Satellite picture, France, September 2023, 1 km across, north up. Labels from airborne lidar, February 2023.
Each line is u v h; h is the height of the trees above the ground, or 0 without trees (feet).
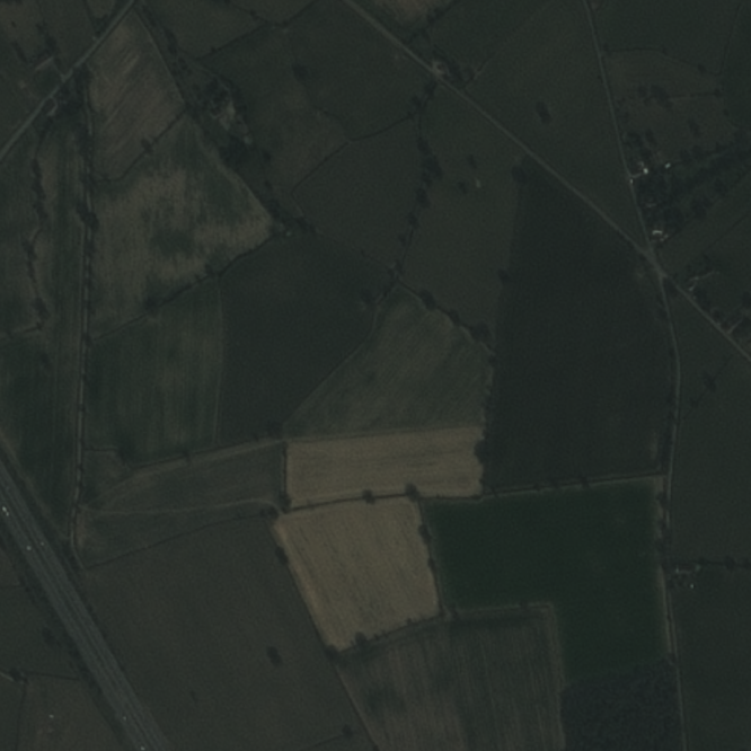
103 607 0
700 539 0
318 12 0
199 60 0
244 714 0
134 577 0
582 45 0
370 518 0
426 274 0
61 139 0
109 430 0
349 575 0
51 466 0
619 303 0
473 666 0
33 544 0
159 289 0
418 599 0
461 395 0
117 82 0
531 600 0
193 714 0
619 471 0
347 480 0
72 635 0
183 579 0
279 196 0
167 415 0
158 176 0
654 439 0
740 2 0
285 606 0
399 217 0
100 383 0
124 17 0
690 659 0
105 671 0
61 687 0
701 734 0
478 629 0
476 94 0
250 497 0
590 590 0
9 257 0
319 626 0
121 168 0
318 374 0
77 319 0
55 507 0
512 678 0
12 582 0
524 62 0
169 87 0
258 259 0
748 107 0
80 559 0
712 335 0
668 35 0
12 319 0
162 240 0
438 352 0
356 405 0
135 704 0
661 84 0
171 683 0
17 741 0
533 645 0
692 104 0
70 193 0
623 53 0
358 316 0
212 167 0
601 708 68
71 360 0
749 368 0
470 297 0
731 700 0
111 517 0
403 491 0
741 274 0
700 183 47
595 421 0
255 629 0
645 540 0
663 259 0
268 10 0
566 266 0
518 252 0
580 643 0
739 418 0
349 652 0
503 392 0
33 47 0
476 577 0
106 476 0
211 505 0
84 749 0
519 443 0
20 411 0
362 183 0
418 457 0
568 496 0
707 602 0
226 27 0
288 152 0
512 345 0
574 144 0
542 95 0
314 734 0
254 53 0
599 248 0
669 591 21
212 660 0
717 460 0
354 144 0
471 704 0
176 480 0
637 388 0
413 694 0
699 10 0
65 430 0
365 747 0
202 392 0
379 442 0
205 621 0
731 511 0
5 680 0
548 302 0
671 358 27
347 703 0
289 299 0
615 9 0
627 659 0
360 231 0
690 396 0
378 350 0
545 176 0
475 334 42
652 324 0
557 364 0
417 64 0
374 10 0
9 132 0
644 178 0
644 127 0
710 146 0
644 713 58
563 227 0
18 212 0
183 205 0
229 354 0
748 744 0
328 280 0
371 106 0
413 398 0
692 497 0
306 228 34
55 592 0
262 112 0
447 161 0
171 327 0
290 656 0
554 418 0
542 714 0
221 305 0
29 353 0
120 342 0
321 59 0
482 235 0
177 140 0
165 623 0
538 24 0
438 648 0
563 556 0
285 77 0
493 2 0
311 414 0
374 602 0
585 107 0
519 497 0
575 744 44
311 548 0
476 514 0
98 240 0
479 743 0
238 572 0
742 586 0
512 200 0
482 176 0
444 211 0
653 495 0
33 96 0
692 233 0
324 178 0
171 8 0
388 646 0
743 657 0
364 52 0
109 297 0
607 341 0
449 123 0
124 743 0
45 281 0
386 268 0
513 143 0
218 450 0
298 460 0
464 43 0
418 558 0
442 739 0
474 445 0
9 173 0
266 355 0
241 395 0
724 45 0
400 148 0
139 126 0
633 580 0
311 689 0
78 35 0
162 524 0
